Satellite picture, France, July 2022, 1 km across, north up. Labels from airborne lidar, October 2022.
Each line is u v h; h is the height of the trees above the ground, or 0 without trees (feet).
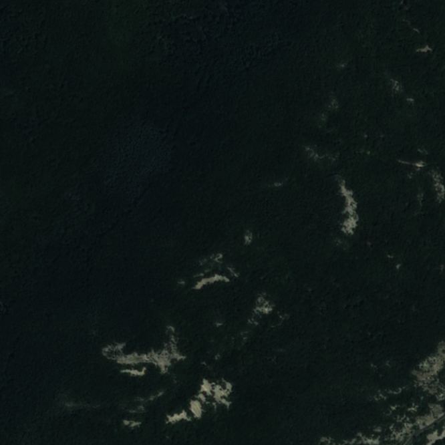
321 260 42
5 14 81
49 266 98
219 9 114
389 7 79
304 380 81
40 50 64
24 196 64
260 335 39
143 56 73
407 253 44
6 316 113
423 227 61
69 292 86
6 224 64
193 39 123
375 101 65
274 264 42
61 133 69
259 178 42
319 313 77
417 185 42
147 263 60
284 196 40
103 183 78
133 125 83
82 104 73
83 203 95
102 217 85
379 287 77
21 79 59
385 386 48
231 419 56
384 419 32
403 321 71
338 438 25
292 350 45
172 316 38
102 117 79
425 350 48
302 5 70
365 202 57
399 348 44
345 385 37
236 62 90
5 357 82
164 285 61
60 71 61
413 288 55
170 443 67
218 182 43
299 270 77
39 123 58
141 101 80
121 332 42
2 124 92
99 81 65
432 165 29
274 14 108
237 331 27
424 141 38
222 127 68
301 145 25
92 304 67
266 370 69
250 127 57
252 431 63
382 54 86
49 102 51
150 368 33
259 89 73
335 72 41
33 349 80
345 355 65
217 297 44
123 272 95
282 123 61
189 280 36
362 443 46
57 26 96
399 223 44
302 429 31
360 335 41
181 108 94
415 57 55
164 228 49
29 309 110
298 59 45
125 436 62
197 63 125
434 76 83
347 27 85
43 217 88
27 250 72
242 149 51
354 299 93
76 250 72
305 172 63
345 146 70
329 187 37
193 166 69
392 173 45
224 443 63
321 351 66
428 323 58
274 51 67
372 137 52
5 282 74
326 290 55
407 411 31
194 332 82
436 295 49
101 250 81
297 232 46
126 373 36
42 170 44
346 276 63
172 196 51
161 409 48
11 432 75
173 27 124
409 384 24
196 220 72
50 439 71
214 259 20
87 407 18
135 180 54
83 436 59
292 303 63
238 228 23
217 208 70
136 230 59
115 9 66
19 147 52
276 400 80
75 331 53
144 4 76
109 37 62
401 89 20
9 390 104
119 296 100
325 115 28
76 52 63
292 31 83
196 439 28
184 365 35
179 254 40
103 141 64
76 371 57
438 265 46
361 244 67
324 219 52
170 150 77
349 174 67
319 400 39
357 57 59
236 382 65
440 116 60
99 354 53
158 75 82
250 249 36
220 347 33
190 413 29
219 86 94
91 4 71
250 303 45
